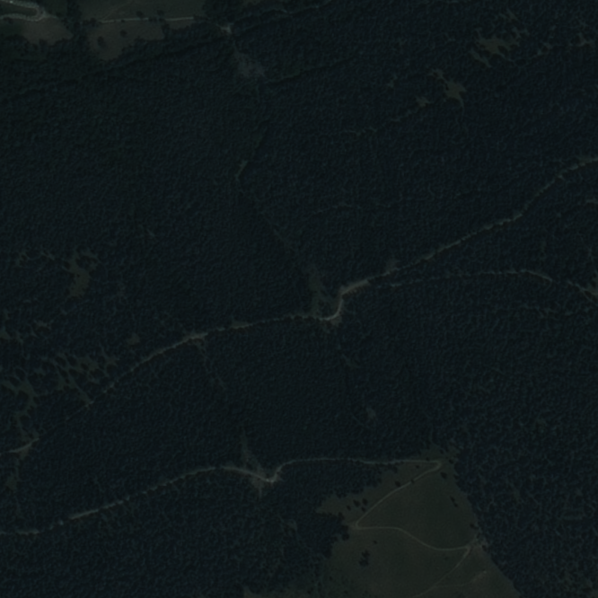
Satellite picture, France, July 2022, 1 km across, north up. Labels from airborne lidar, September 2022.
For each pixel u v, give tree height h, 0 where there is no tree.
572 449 22
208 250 15
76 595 26
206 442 12
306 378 13
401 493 0
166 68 23
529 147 21
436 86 20
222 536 10
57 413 15
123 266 28
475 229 13
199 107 19
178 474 21
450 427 10
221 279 17
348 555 0
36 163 10
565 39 20
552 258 24
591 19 16
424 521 0
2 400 15
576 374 18
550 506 18
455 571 0
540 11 23
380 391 11
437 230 13
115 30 0
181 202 18
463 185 19
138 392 17
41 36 0
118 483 15
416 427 17
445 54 20
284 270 20
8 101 20
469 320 15
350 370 13
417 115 15
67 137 15
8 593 21
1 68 19
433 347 20
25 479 14
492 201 16
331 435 13
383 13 22
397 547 0
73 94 14
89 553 18
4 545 14
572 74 25
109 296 23
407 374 20
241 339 10
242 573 26
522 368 15
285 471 6
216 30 15
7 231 14
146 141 12
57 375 16
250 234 15
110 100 10
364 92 16
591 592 7
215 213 16
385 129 17
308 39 20
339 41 11
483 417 14
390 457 6
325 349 16
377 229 9
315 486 10
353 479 12
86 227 16
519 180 15
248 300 18
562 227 21
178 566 10
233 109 17
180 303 15
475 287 17
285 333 12
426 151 18
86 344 20
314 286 0
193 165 17
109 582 22
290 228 12
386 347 15
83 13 10
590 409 24
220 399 13
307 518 9
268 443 9
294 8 18
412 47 13
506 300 17
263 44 22
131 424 18
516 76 8
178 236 18
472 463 16
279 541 9
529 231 19
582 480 12
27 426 23
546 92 21
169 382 14
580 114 32
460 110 20
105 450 14
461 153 19
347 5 14
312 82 15
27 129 16
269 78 11
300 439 11
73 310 21
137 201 11
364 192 18
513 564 11
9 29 0
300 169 13
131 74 13
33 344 13
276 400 10
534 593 9
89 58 15
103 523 8
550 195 16
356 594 0
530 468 21
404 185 10
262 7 11
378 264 15
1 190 20
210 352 11
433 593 0
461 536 0
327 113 17
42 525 18
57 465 12
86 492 7
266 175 13
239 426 13
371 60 12
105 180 16
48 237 18
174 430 14
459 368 20
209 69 12
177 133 19
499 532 16
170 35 13
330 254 15
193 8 0
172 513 17
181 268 13
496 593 0
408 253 12
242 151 13
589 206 14
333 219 11
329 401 14
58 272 21
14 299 12
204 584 23
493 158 14
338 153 13
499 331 21
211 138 15
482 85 23
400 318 17
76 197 16
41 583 11
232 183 18
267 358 10
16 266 11
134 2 0
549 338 13
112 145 18
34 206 20
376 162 20
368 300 18
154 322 14
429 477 0
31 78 10
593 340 16
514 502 20
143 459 16
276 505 21
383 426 11
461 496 0
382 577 0
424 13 9
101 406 11
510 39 13
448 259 19
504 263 17
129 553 23
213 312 22
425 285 8
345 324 9
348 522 0
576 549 15
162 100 16
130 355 14
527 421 12
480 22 7
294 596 0
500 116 18
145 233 9
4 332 0
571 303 15
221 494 18
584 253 23
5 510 11
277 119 13
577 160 21
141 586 12
